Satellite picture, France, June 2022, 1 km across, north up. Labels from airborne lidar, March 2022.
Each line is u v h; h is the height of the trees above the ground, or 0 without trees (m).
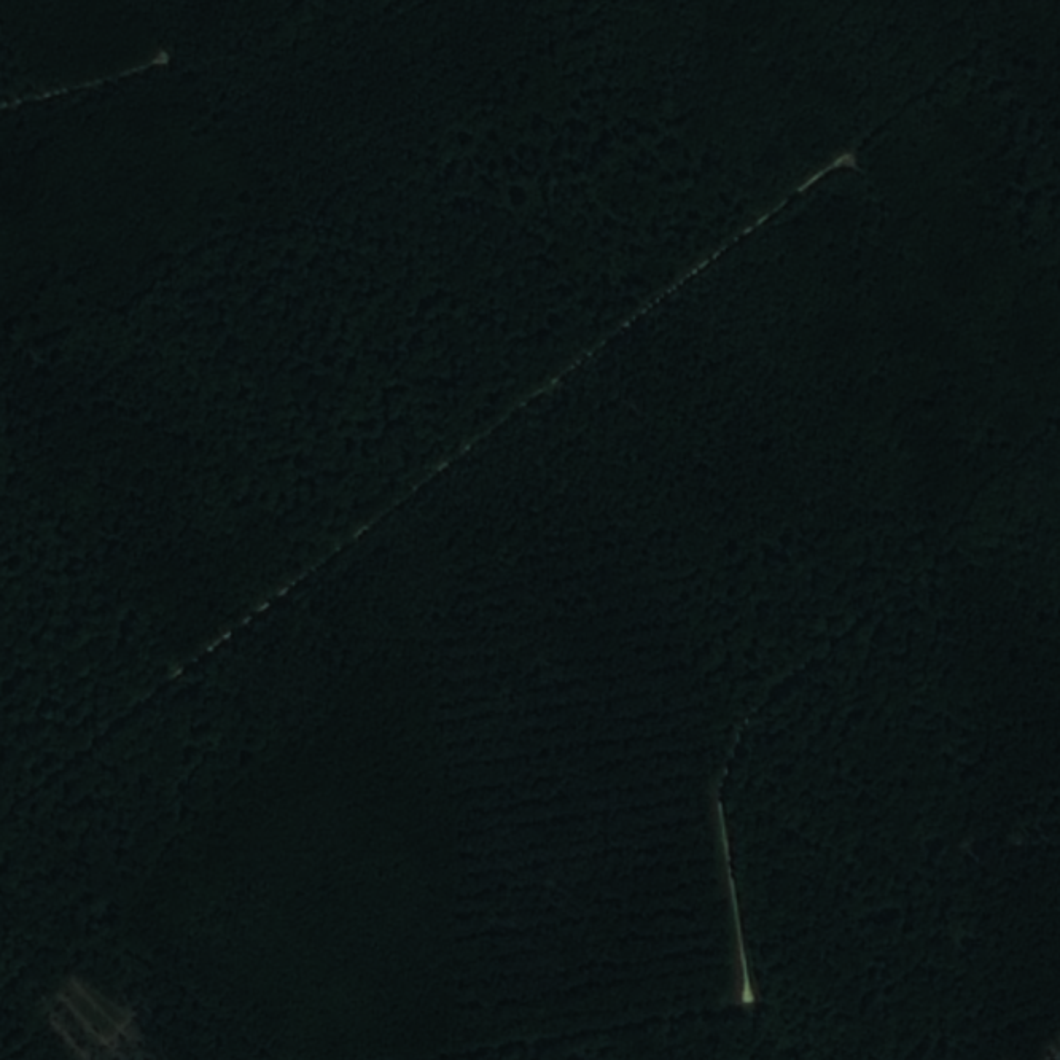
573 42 16
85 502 0
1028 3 11
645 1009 15
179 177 0
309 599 0
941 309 12
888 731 22
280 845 0
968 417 15
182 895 0
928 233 7
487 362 21
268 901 0
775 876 18
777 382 19
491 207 23
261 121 0
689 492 20
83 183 0
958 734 21
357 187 22
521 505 20
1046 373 9
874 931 21
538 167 16
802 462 14
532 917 19
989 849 23
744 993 0
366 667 16
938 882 20
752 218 16
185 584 0
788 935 19
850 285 16
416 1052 13
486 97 19
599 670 19
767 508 19
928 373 10
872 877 22
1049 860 19
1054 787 20
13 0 0
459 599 18
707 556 21
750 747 21
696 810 18
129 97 0
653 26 11
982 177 7
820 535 24
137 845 26
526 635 20
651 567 15
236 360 0
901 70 10
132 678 0
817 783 23
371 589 18
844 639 20
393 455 22
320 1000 0
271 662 0
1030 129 23
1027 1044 17
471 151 7
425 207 22
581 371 17
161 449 0
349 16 19
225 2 0
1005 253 9
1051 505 16
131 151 0
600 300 8
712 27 8
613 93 16
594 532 18
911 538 23
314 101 0
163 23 0
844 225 14
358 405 19
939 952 20
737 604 23
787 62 15
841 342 16
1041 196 23
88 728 23
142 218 0
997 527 14
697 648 21
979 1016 18
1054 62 8
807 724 22
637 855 17
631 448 16
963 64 16
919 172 7
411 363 22
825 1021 19
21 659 19
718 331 15
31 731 24
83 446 0
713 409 19
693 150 6
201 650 0
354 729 14
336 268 22
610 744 20
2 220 0
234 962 0
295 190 0
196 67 0
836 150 11
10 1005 0
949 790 22
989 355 14
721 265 8
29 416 0
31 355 0
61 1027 0
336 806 12
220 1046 0
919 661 17
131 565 0
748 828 17
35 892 23
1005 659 19
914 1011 18
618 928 17
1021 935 13
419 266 20
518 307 23
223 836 0
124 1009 0
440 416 20
